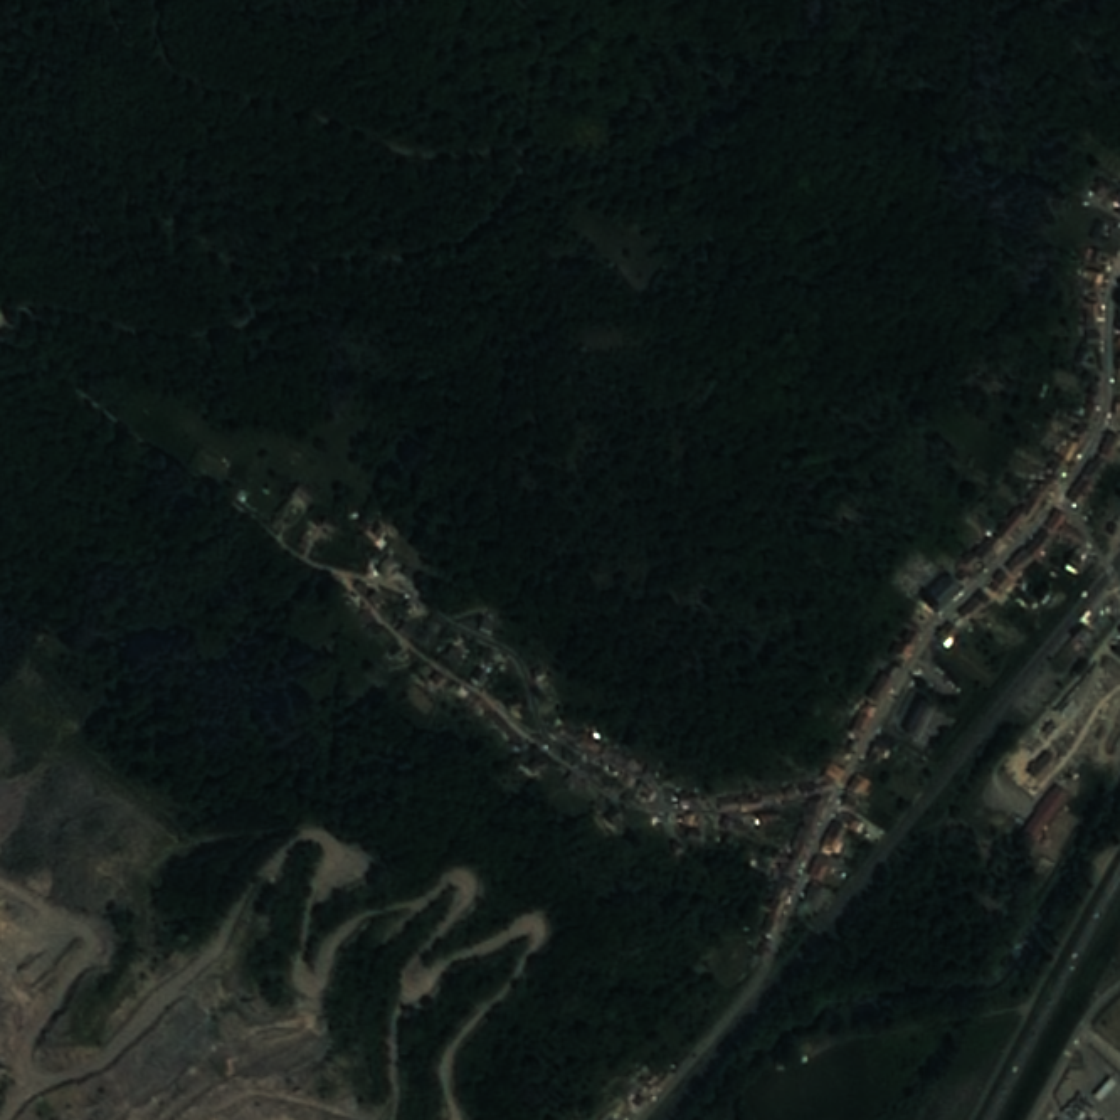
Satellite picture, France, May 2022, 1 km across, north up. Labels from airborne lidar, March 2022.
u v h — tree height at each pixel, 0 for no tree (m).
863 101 17
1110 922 0
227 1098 0
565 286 15
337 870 0
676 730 15
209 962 0
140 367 20
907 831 0
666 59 32
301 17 20
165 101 16
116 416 22
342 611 0
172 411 0
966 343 18
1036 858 0
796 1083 0
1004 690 0
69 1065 0
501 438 18
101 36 22
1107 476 0
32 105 21
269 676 31
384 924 7
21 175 19
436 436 21
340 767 16
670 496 16
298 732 23
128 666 33
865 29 21
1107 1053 0
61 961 0
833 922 0
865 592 11
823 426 17
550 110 12
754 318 18
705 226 14
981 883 7
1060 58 24
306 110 14
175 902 9
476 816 19
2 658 27
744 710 17
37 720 0
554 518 16
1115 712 0
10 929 0
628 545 7
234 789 14
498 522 24
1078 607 0
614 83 15
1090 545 0
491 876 16
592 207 12
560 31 15
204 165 22
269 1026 0
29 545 16
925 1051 0
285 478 0
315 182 15
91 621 34
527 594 21
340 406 25
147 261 18
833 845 0
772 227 18
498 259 19
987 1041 0
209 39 20
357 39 19
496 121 15
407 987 0
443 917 9
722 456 17
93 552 25
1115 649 10
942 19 24
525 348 14
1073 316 0
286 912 7
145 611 22
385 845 15
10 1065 0
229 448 0
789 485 12
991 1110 0
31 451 18
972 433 0
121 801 0
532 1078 20
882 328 17
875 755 0
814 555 28
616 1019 8
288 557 8
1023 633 0
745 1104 0
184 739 27
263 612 26
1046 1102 0
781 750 14
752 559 20
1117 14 28
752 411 15
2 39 24
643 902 14
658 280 6
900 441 28
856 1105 0
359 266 20
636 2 10
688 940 8
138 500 20
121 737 10
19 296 14
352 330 19
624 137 19
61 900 0
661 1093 0
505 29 14
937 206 22
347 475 0
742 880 7
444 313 22
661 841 0
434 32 14
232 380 26
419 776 18
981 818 0
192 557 19
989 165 24
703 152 25
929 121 23
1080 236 0
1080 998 0
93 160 14
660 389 6
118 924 13
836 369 22
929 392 18
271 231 9
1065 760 0
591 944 17
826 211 21
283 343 24
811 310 20
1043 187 34
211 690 27
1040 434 0
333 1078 0
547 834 19
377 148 11
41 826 0
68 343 23
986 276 28
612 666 13
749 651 21
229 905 10
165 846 0
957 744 0
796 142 18
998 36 22
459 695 0
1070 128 22
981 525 0
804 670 17
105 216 18
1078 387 0
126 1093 0
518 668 0
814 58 23
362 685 0
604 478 11
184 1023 0
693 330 15
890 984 23
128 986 0
